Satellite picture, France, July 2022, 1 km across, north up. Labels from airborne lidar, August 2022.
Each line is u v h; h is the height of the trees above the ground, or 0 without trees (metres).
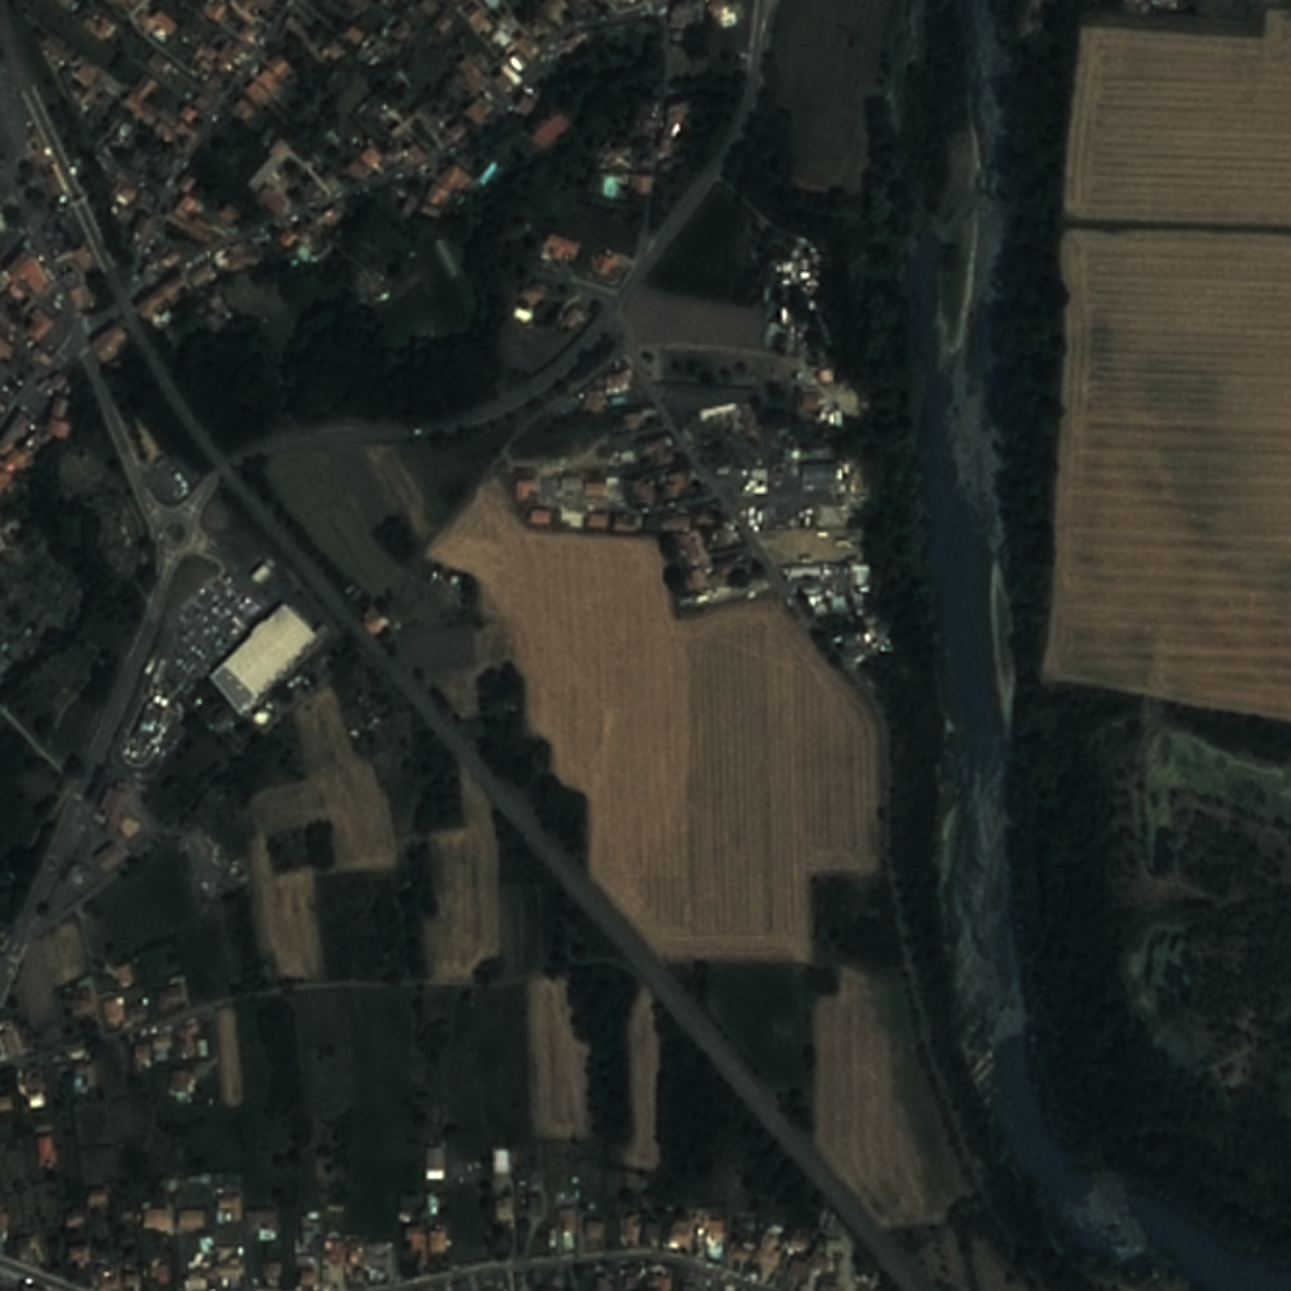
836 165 0
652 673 0
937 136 7
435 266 0
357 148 7
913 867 15
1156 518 0
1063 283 14
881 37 0
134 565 0
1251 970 12
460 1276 0
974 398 0
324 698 0
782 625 0
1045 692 11
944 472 0
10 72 0
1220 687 0
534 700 0
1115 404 0
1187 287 0
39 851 8
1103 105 0
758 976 0
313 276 8
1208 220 0
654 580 0
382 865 0
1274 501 0
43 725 13
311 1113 0
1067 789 11
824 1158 0
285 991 7
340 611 0
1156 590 0
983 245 0
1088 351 0
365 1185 0
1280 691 0
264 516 0
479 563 0
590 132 8
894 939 8
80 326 0
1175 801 8
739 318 0
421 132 7
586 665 0
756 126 19
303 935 0
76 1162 0
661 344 0
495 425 6
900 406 9
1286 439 0
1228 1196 10
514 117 9
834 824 0
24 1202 0
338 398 13
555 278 0
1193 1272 0
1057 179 12
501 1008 0
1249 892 9
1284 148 0
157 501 0
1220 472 0
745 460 0
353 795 0
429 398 15
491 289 17
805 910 0
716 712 0
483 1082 0
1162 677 0
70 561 8
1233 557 0
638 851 0
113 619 7
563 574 0
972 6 0
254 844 0
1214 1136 6
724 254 0
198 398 15
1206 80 0
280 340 0
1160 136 0
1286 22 0
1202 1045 0
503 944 0
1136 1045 24
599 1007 12
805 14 0
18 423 0
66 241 12
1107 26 0
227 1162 0
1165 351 0
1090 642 0
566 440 0
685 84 11
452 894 0
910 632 17
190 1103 0
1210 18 0
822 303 12
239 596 0
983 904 0
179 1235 0
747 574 11
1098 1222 0
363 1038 0
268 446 0
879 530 11
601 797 0
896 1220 0
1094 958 10
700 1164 8
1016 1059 0
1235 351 0
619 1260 0
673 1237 0
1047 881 15
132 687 0
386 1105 0
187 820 6
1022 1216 17
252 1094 0
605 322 0
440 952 0
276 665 0
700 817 0
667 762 0
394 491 0
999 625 0
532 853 15
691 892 0
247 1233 0
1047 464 16
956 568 0
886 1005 0
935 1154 0
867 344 21
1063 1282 18
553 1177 0
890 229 11
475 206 6
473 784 0
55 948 0
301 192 10
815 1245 7
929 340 0
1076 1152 19
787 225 13
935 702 9
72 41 0
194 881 0
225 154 13
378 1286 0
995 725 0
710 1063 17
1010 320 24
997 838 0
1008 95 22
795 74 0
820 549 0
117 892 0
